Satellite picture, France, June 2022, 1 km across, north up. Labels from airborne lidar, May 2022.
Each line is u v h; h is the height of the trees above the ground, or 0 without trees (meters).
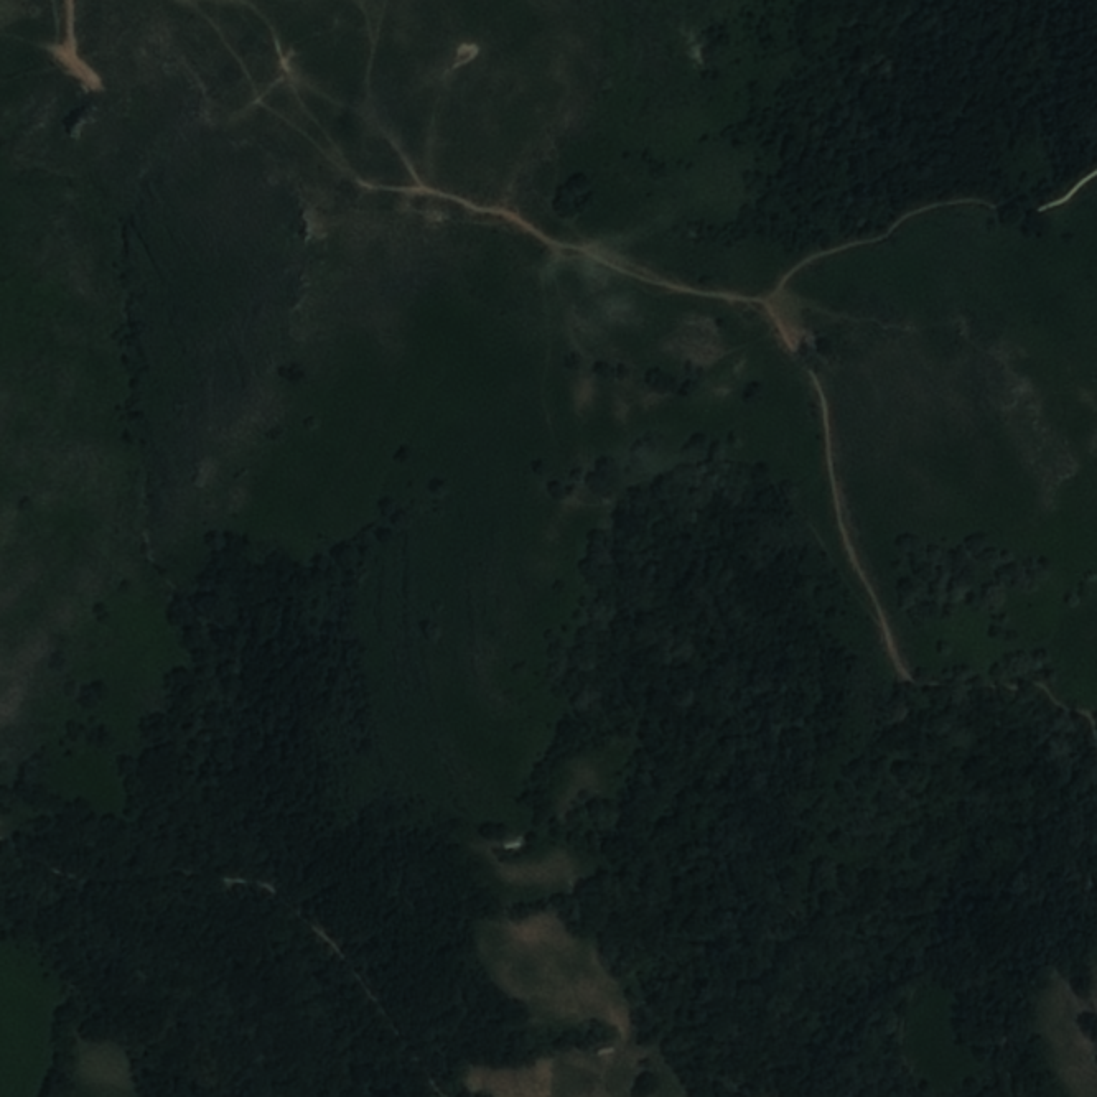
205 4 0
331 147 0
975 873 32
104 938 20
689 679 22
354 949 22
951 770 15
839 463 0
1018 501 0
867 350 0
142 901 16
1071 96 13
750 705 9
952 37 13
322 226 0
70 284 0
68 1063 16
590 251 0
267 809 11
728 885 13
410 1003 18
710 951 24
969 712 14
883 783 17
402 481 0
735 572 18
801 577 14
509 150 0
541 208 0
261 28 0
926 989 7
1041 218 16
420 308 0
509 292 0
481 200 0
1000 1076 9
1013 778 24
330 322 0
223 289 0
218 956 18
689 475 12
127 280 10
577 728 18
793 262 0
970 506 0
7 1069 0
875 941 18
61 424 0
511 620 0
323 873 23
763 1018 23
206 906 6
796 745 12
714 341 0
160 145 0
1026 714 23
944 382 0
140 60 0
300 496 0
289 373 13
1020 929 20
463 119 0
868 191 9
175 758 19
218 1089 16
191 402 0
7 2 0
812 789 8
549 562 0
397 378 0
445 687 0
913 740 20
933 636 0
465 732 0
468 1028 17
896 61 20
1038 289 0
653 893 22
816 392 0
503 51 0
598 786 0
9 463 0
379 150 0
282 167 0
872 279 0
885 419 0
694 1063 8
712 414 0
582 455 0
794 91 10
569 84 0
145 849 19
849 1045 26
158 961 19
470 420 0
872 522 0
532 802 10
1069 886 24
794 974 22
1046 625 0
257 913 17
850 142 12
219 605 24
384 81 0
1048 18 10
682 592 21
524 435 0
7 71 0
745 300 0
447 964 16
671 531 11
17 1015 0
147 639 0
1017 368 0
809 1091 18
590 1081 0
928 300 0
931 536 0
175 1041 16
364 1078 28
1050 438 0
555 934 0
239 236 0
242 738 21
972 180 12
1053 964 19
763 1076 24
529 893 0
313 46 0
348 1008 16
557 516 0
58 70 0
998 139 11
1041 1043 11
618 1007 0
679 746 24
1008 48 11
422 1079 17
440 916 25
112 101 0
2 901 13
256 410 0
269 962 16
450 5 0
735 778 11
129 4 0
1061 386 0
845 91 25
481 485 0
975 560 14
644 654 12
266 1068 19
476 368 0
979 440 0
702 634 12
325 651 13
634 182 0
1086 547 0
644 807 24
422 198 0
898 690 12
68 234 0
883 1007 24
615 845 19
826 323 0
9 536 0
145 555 8
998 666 11
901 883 12
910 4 26
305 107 0
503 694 0
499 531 0
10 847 16
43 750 6
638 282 0
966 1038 13
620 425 0
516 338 0
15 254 0
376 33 0
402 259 0
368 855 17
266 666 19
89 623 0
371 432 0
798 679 19
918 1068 0
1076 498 0
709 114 0
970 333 0
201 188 0
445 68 0
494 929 0
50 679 0
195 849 19
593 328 0
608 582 7
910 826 9
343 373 0
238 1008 14
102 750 17
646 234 0
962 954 19
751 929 28
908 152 18
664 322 0
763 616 9
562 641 14
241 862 17
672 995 27
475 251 0
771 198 11
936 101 15
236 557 25
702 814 29
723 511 12
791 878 19
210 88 0
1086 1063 0
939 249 0
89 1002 9
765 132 7
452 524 0
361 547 6
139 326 10
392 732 0
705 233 8
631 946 11
